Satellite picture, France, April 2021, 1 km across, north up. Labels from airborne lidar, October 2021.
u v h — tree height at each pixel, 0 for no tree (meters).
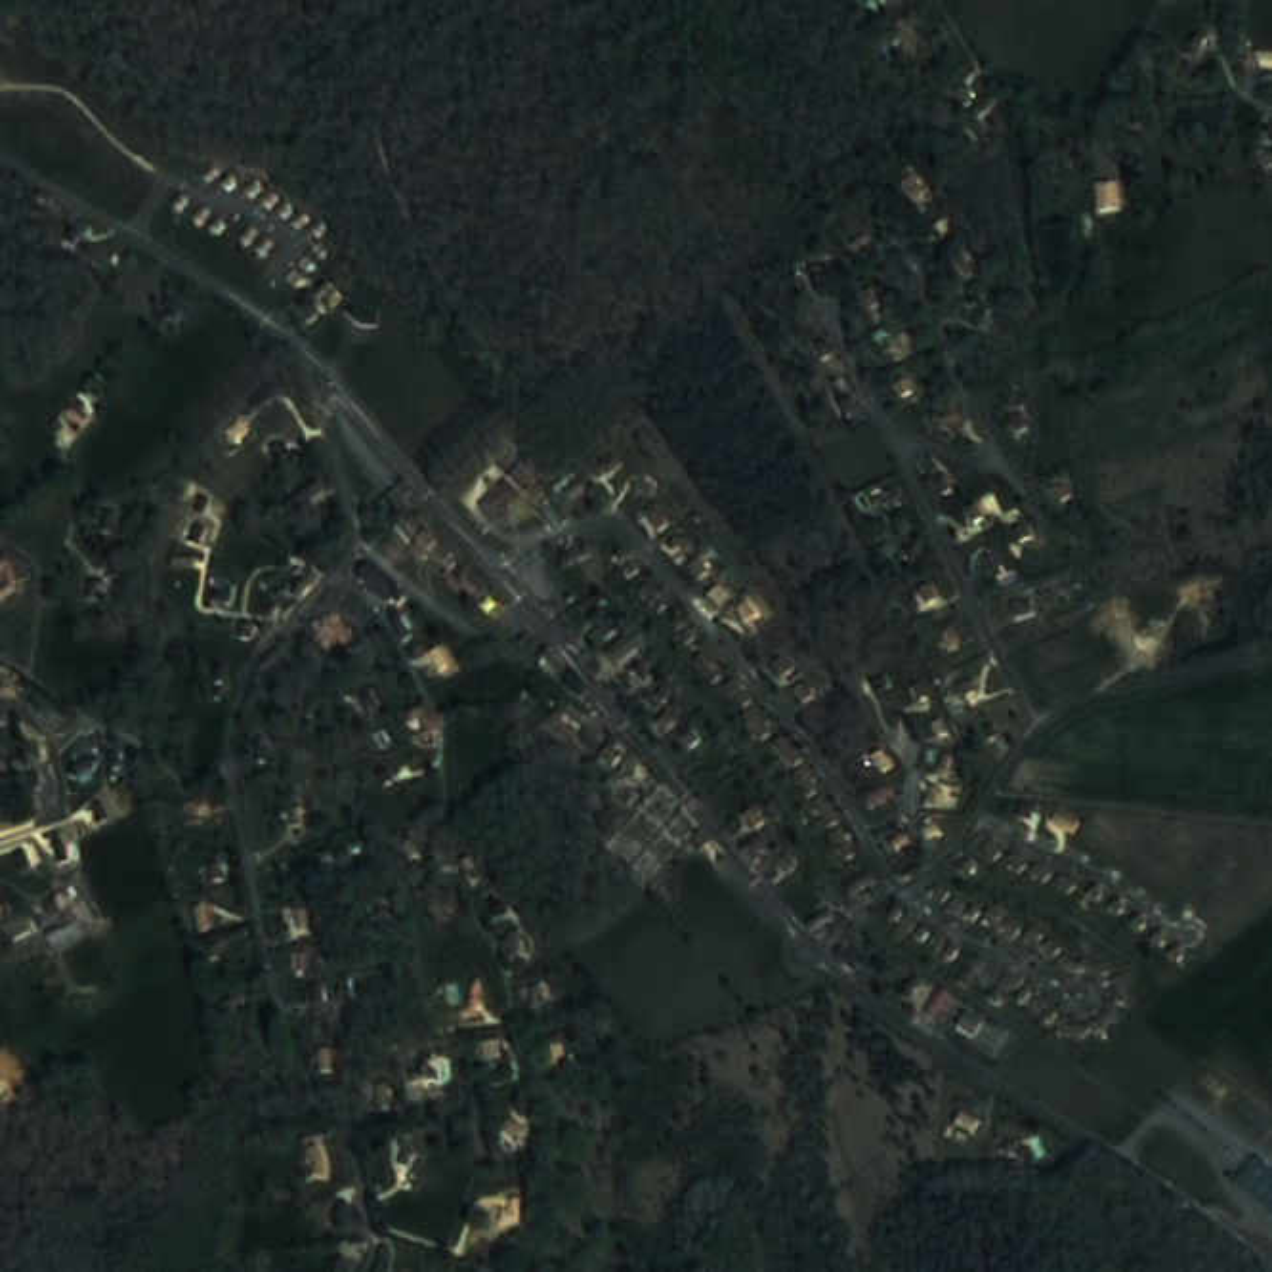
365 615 0
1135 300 0
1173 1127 0
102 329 0
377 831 16
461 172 18
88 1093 19
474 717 16
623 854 0
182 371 0
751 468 16
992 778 0
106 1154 11
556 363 16
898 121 21
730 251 11
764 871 7
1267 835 0
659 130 14
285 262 0
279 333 0
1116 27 0
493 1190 0
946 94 15
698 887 0
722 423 16
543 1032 14
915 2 18
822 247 17
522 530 0
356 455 0
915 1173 8
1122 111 18
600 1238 26
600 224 18
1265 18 0
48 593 13
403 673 10
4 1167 7
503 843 21
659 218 12
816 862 0
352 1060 16
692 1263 6
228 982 19
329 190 24
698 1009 0
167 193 0
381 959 20
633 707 12
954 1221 20
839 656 23
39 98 0
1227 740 0
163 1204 19
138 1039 0
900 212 16
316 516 17
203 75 16
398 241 23
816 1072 7
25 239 22
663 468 0
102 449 0
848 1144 0
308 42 14
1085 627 0
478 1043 11
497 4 18
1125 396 0
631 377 15
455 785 0
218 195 0
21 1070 0
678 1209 6
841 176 24
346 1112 18
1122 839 0
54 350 25
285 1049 17
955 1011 0
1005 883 0
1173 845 0
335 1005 0
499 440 31
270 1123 11
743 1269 29
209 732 0
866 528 19
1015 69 0
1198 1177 0
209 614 0
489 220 12
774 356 17
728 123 22
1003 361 22
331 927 24
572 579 0
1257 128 7
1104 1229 25
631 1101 10
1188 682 0
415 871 20
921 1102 8
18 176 9
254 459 0
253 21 18
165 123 23
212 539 0
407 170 15
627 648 0
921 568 14
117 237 0
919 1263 7
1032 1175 15
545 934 23
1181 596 0
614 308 12
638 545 0
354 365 0
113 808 0
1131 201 9
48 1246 18
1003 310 20
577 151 8
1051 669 0
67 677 0
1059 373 17
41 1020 0
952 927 0
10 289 24
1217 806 0
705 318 15
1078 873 0
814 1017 7
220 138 23
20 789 12
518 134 18
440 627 7
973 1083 0
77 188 0
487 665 20
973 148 16
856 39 13
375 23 6
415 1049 13
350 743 11
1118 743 0
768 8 20
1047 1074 0
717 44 23
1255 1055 0
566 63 18
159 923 0
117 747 17
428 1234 0
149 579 24
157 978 0
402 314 18
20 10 26
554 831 19
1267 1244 0
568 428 18
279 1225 0
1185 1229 18
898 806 0
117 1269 18
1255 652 19
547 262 8
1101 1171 24
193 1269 19
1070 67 0
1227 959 0
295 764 0
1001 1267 16
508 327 17
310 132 17
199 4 19
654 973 0
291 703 21
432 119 20
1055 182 18
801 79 15
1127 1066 0
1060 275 16
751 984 0
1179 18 0
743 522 19
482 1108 15
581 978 15
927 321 13
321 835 17
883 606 22
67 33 27
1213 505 0
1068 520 8
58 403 0
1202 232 0
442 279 17
